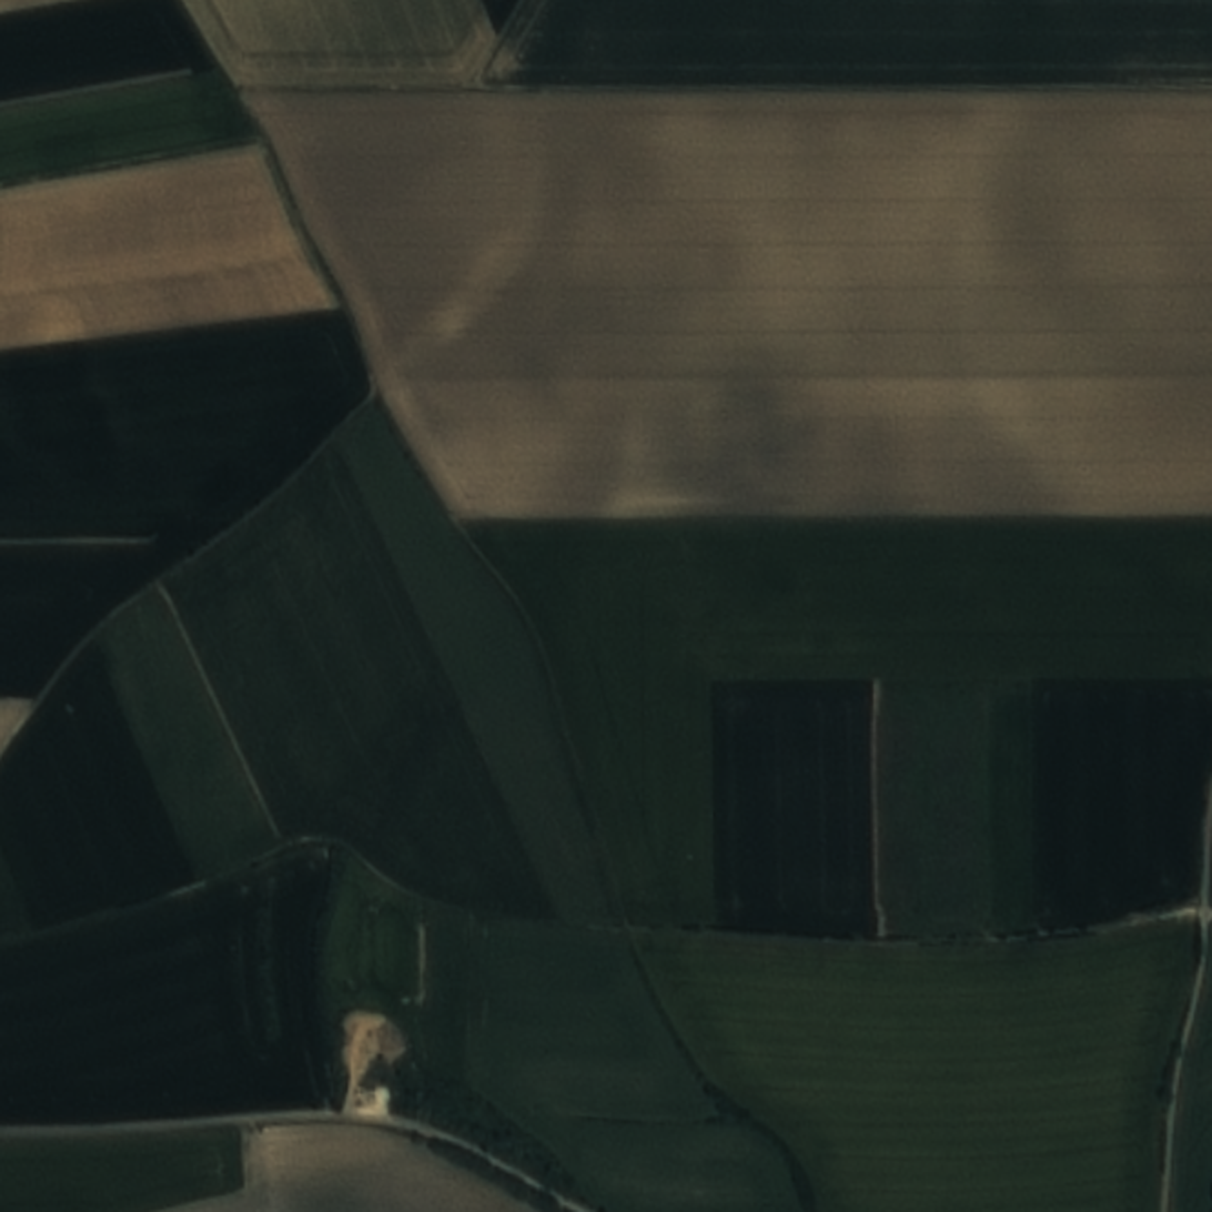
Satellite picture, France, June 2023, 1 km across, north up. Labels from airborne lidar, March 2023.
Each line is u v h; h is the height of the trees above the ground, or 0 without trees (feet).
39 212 0
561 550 0
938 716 0
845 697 0
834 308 0
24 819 0
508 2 0
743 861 0
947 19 0
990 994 0
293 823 0
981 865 0
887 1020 0
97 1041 0
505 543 0
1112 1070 0
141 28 0
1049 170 0
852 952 0
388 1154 0
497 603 0
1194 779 0
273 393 0
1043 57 0
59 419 0
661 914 0
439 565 0
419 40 0
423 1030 0
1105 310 0
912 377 0
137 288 0
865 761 0
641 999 0
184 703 0
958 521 0
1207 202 0
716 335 0
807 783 0
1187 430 0
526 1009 0
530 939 0
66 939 0
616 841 0
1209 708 0
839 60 0
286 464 0
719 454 0
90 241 0
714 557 0
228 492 0
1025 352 0
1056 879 0
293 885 0
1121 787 0
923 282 0
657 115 0
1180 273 0
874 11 0
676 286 0
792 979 0
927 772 0
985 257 0
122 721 0
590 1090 0
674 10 0
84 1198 0
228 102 0
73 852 0
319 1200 0
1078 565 0
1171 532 0
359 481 0
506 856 0
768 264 0
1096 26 0
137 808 0
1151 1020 0
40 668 0
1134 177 0
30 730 0
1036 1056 0
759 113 0
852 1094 0
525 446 0
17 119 0
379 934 0
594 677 0
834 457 0
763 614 0
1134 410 0
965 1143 0
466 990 0
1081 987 0
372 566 0
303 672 0
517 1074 0
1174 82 0
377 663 0
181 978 0
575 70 0
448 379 0
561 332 0
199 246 0
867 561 0
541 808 0
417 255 0
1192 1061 0
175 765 0
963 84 0
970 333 0
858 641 0
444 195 0
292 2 0
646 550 0
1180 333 0
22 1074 0
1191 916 0
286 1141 0
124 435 0
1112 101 0
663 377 0
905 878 0
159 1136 0
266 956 28
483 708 0
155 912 0
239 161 0
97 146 0
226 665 0
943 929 0
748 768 0
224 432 0
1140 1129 0
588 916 0
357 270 0
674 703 0
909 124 0
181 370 0
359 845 0
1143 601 0
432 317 0
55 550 0
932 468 0
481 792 0
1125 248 0
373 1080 0
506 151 0
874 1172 0
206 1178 0
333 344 0
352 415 0
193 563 0
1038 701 0
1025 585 0
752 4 0
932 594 0
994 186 0
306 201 0
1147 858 0
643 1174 0
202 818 0
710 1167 0
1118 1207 0
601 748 0
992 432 0
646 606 0
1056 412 0
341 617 0
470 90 0
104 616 0
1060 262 0
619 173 0
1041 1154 0
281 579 0
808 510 0
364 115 0
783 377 0
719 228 0
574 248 0
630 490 0
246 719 0
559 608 0
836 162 0
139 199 0
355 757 0
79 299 0
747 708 0
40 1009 0
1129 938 0
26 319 0
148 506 0
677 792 0
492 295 0
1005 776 0
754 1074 0
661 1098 0
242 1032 0
